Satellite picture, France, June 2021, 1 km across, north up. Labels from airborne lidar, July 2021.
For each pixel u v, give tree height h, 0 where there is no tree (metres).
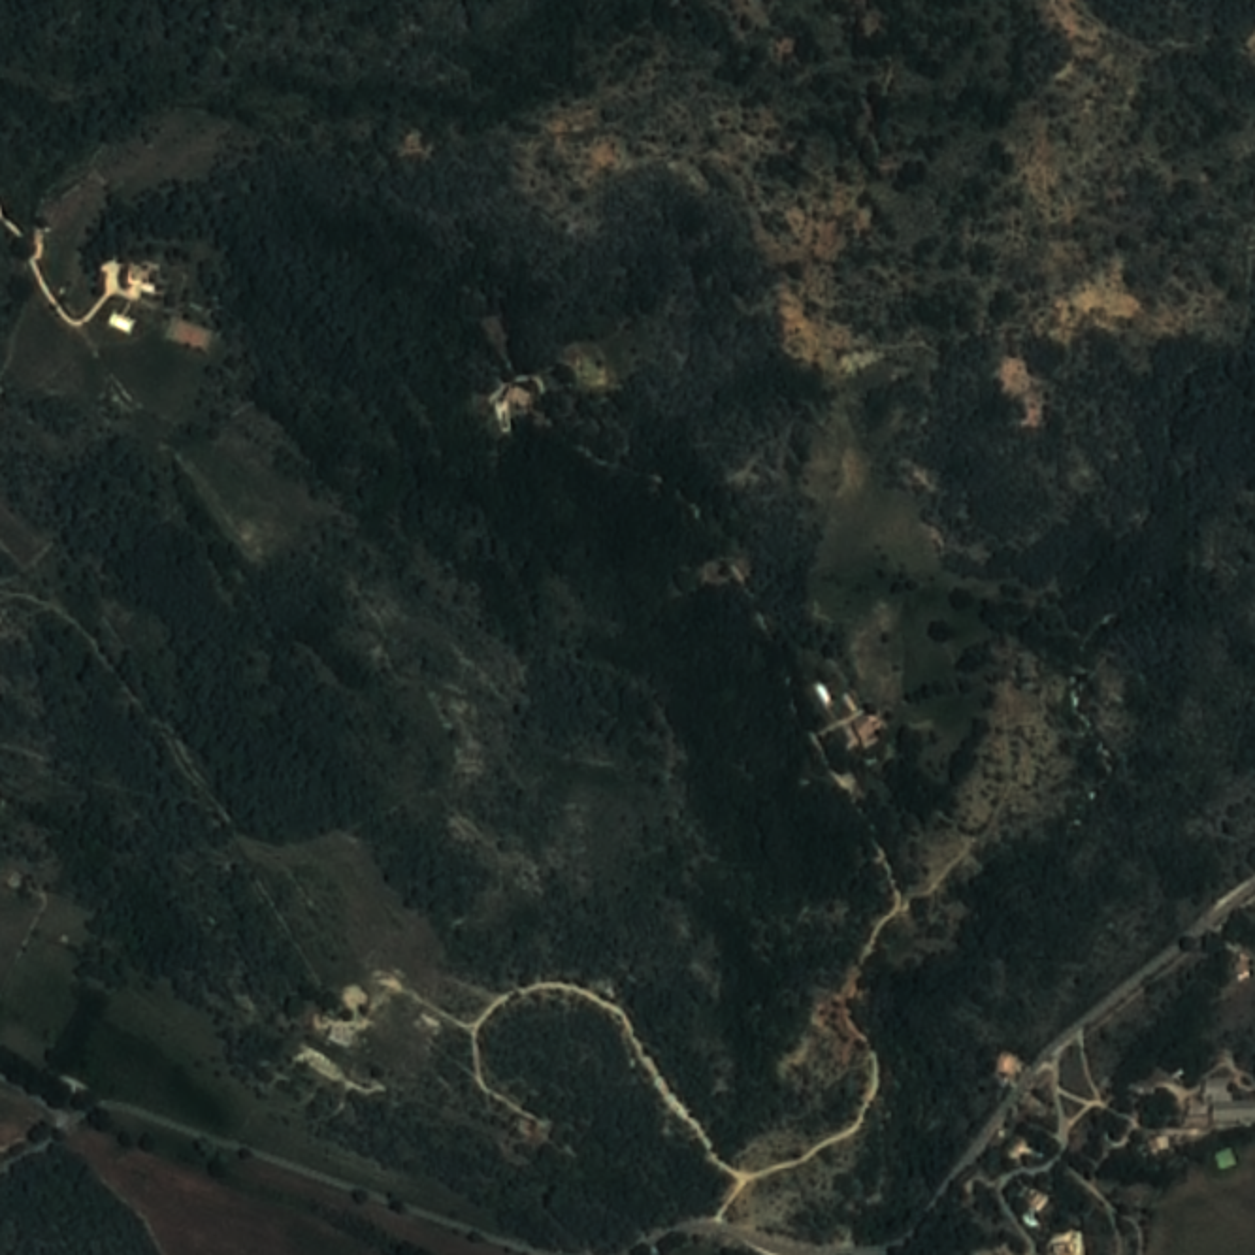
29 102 5
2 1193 6
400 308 14
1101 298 0
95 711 8
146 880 8
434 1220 0
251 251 11
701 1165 8
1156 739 6
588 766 0
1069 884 11
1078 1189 8
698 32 12
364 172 8
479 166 6
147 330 0
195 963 8
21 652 8
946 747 0
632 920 6
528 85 7
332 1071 0
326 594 14
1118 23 8
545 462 12
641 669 6
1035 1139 6
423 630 0
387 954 0
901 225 0
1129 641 12
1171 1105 9
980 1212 11
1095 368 6
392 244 9
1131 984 0
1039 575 10
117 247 10
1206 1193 0
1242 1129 6
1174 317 0
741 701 10
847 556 0
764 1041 7
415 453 10
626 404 11
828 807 13
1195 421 12
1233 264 0
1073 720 9
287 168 11
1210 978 7
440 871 6
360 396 12
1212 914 0
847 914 6
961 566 8
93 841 12
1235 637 7
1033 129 0
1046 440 6
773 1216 0
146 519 14
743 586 8
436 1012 0
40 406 9
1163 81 6
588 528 11
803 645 8
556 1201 18
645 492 12
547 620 7
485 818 7
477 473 12
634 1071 7
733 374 7
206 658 12
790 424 8
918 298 7
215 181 11
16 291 11
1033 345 8
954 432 9
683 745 6
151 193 8
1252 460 12
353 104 6
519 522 15
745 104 6
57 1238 6
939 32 7
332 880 0
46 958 0
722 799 10
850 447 0
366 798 12
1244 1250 0
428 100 10
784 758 12
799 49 11
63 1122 0
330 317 17
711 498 9
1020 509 8
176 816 10
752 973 12
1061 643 9
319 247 13
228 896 10
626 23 10
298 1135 0
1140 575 13
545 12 6
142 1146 12
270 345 10
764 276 10
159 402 0
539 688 6
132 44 8
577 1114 8
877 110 12
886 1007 14
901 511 0
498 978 7
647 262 12
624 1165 7
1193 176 0
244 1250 0
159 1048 0
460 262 8
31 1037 0
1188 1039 8
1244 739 6
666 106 0
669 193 6
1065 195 0
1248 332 9
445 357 20
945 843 0
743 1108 9
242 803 16
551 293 7
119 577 10
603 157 0
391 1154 6
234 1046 8
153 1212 0
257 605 7
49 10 14
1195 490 12
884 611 0
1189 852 6
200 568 9
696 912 7
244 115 9
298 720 8
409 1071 0
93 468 9
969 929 7
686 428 11
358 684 10
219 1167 9
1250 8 10
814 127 8
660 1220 9
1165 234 6
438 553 7
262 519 0
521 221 7
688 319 9
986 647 7
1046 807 0
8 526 0
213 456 0
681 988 6
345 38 12
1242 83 8
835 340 0
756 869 8
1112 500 7
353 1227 15
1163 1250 0
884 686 0
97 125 9
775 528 8
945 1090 9
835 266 6
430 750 5
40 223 9
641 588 8
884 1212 8
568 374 12
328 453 7
